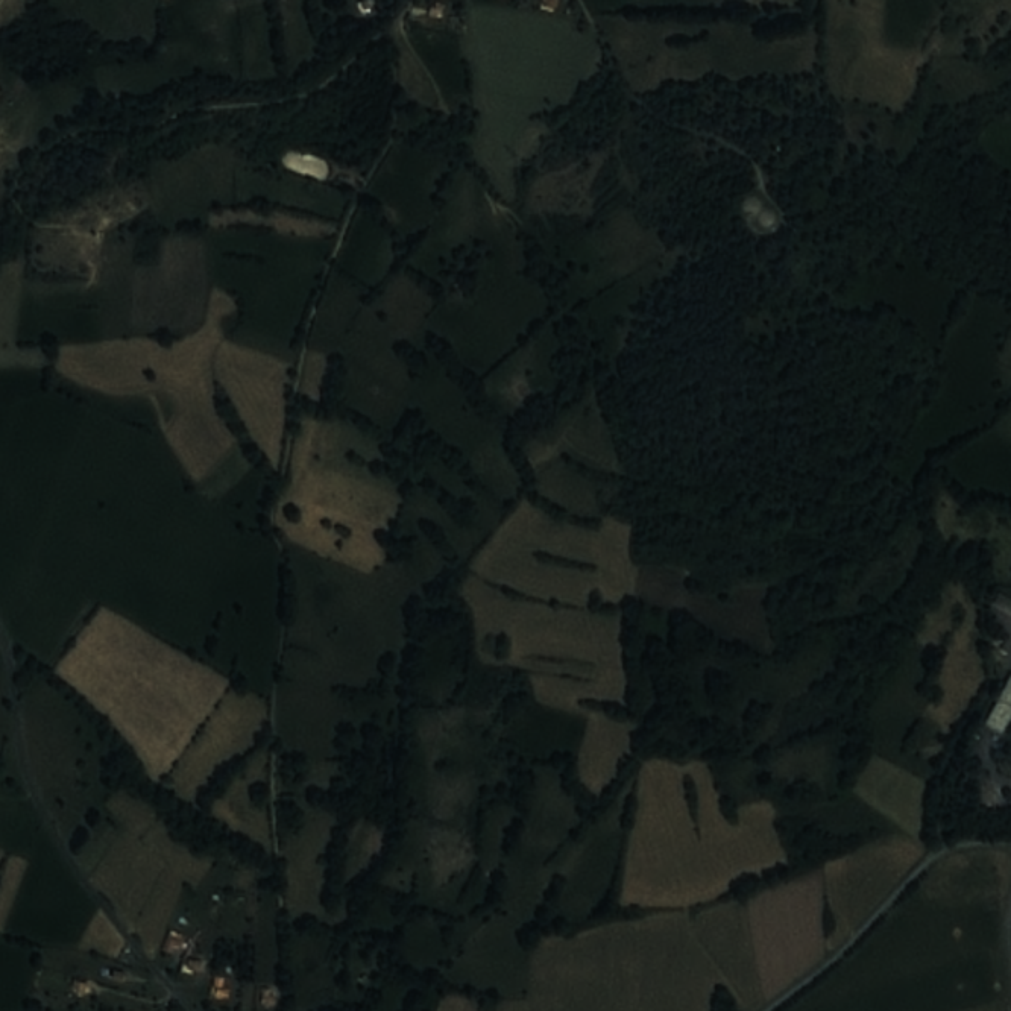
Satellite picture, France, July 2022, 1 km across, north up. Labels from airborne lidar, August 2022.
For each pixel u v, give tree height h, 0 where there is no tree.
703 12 13
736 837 0
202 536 0
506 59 0
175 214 0
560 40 0
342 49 8
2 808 0
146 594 0
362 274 0
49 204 9
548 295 13
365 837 0
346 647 0
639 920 0
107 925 0
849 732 17
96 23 0
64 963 0
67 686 12
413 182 0
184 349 0
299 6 0
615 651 0
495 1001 14
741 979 0
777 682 0
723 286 17
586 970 0
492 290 0
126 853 0
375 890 13
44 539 0
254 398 0
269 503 18
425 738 0
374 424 14
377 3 9
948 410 0
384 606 0
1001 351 9
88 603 0
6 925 0
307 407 18
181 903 0
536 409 19
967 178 19
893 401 18
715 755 14
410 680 21
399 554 20
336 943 9
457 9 7
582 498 0
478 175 13
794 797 16
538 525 0
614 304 0
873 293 0
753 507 16
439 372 0
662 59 0
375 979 13
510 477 0
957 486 15
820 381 11
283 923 10
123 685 0
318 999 0
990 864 0
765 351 11
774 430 17
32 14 8
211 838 18
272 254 0
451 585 20
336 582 0
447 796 0
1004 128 0
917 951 0
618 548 0
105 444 0
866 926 0
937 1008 0
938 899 0
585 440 0
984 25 0
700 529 13
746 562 9
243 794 0
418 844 0
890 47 0
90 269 0
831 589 12
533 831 0
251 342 0
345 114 8
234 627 0
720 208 10
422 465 12
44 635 0
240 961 9
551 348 0
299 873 0
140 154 13
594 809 17
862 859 0
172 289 0
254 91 7
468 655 6
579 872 0
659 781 0
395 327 0
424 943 0
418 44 0
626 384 10
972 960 0
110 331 0
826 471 9
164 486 0
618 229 0
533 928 15
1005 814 12
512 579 0
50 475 0
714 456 13
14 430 0
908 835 0
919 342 19
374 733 19
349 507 0
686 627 21
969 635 0
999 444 0
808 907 0
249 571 0
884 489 11
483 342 0
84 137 9
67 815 0
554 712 0
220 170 0
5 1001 0
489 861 0
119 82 0
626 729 0
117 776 15
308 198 0
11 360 0
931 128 14
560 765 17
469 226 0
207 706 0
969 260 10
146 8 0
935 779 7
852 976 0
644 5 0
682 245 14
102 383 0
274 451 0
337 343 0
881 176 16
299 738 0
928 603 19
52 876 0
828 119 10
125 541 0
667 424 15
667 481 11
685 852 0
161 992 0
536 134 0
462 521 21
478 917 8
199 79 9
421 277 14
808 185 17
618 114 8
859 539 13
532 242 8
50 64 10
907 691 0
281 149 17
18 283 0
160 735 0
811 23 8
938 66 0
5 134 0
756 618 0
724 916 0
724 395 14
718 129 9
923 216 21
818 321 12
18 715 0
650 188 10
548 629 0
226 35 0
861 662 8
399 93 17
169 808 16
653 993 0
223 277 0
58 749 0
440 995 13
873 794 0
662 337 15
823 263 14
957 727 10
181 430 0
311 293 7
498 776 0
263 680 0
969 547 16
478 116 11
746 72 0
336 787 11
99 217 0
